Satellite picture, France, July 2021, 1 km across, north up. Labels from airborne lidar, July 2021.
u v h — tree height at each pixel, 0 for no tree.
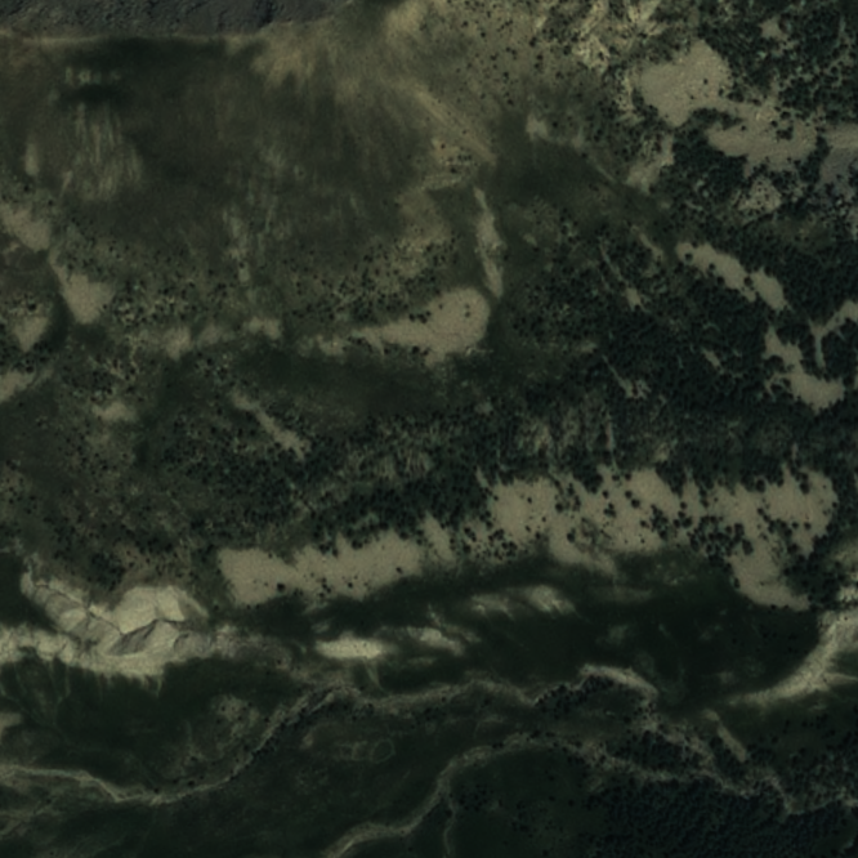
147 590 0
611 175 0
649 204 0
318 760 0
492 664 0
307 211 0
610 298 9
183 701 0
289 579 0
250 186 0
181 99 0
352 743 0
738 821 15
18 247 0
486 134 0
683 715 0
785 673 0
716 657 0
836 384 0
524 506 0
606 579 0
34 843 0
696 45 0
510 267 0
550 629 0
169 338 0
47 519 7
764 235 10
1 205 0
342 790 0
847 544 0
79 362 0
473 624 0
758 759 15
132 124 0
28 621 0
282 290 0
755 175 7
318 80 0
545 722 0
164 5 0
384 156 0
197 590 0
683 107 0
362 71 0
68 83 0
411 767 0
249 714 0
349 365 0
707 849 14
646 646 0
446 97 0
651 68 0
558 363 0
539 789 0
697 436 9
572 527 0
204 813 0
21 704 0
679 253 0
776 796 8
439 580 0
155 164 0
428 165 0
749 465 12
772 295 0
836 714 0
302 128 0
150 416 0
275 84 0
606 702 0
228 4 0
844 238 10
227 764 0
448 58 0
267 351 0
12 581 0
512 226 0
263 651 0
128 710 0
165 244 0
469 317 0
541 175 0
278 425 0
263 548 0
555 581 0
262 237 0
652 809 14
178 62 0
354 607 0
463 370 0
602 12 0
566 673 0
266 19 0
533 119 0
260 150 0
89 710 0
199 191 0
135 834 0
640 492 0
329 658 0
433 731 0
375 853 0
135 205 0
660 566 0
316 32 0
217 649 0
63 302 0
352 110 0
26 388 0
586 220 0
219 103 0
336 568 0
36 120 0
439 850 0
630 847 8
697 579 0
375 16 0
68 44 0
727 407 13
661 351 8
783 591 0
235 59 0
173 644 0
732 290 11
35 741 0
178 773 0
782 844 6
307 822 0
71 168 0
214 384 0
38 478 0
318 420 0
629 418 6
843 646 0
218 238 0
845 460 10
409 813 0
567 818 0
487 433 11
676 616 0
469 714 0
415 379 0
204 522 9
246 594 0
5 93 0
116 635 0
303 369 0
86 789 0
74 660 0
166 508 0
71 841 0
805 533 0
